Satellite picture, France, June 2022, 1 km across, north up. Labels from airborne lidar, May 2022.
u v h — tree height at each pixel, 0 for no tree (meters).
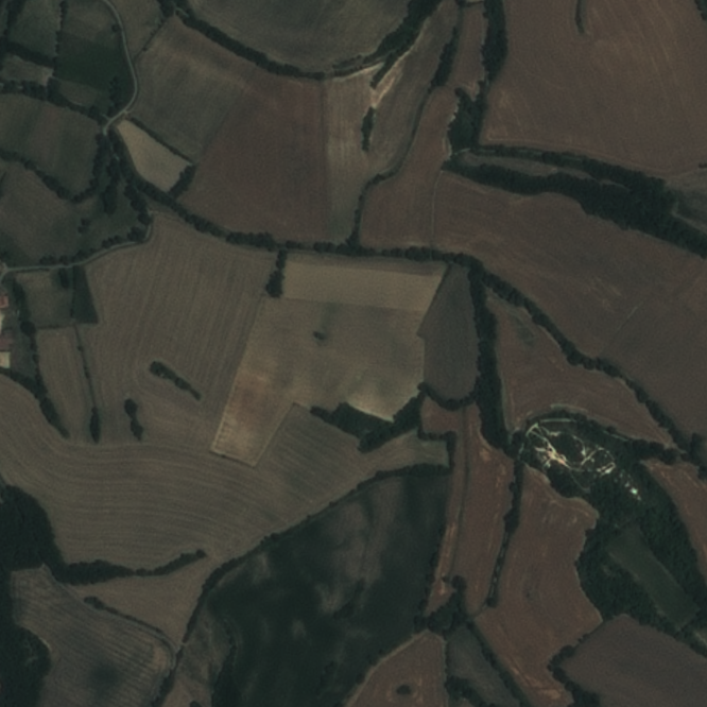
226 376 0
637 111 0
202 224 17
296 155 0
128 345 0
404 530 0
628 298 0
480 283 13
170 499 0
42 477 0
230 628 6
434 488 0
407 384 0
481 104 10
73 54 0
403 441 0
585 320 0
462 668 0
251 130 0
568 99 0
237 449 0
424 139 0
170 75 0
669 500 7
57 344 0
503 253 0
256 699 0
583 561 12
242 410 0
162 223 0
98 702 0
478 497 0
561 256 0
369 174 0
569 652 19
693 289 0
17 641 9
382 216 0
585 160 6
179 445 0
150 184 19
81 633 0
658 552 16
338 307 0
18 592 0
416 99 0
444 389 0
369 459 0
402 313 0
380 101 0
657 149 0
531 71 0
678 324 0
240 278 0
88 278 0
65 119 0
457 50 20
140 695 0
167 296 0
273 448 0
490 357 12
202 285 0
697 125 0
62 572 20
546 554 0
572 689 11
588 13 0
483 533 0
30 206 0
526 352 0
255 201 0
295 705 0
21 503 20
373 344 0
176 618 0
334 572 0
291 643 0
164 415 0
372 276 0
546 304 0
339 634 0
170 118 0
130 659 0
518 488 9
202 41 0
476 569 0
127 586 0
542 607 0
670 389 0
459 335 0
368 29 0
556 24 0
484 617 0
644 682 0
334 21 0
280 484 0
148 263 0
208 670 0
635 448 14
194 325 0
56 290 0
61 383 0
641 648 0
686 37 0
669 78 0
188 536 0
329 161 0
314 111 0
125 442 0
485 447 0
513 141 0
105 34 0
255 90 0
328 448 0
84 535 0
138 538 0
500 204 0
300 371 0
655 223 12
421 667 0
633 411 0
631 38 0
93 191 14
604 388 0
